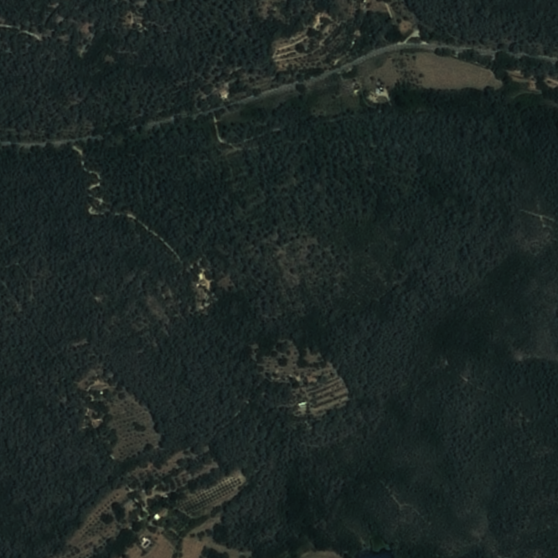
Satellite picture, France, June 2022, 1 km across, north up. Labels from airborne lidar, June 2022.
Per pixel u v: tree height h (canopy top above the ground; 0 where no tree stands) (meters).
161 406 22
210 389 24
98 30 22
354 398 18
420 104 6
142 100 16
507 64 17
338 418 19
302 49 14
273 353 9
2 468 16
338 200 15
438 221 21
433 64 0
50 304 16
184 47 11
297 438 11
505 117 16
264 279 12
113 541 11
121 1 14
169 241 15
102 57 20
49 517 17
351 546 12
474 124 18
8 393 18
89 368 16
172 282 13
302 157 18
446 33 20
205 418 24
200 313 10
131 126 11
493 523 5
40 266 12
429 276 22
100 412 9
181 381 17
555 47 20
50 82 6
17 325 10
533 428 9
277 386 15
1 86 17
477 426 6
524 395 8
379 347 20
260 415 12
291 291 9
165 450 20
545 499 7
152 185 7
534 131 16
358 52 5
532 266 7
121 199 16
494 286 11
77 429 20
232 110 19
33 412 11
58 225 17
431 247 17
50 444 18
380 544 0
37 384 9
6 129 10
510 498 8
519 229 9
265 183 16
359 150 16
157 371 18
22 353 16
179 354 14
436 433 10
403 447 6
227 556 13
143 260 10
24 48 12
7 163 18
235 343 22
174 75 10
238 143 18
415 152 16
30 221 20
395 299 19
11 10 10
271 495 19
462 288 15
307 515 21
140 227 12
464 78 0
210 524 0
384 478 8
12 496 17
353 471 9
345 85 0
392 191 17
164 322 10
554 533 9
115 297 12
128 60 15
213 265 17
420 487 6
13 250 15
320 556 0
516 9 8
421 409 7
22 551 18
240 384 12
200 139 19
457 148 14
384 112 16
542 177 11
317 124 20
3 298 13
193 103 13
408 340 19
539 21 9
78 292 14
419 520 9
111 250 15
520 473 7
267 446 22
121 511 11
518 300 9
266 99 0
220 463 18
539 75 23
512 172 8
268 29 10
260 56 22
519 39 24
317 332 11
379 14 8
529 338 7
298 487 14
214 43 21
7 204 13
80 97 19
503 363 7
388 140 20
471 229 18
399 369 11
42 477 21
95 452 14
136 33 9
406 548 13
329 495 16
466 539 6
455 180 18
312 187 16
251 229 19
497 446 6
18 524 10
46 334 15
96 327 14
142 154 15
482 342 9
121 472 14
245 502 19
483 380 8
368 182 10
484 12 19
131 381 18
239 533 16
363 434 8
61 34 8
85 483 18
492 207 19
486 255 12
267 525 16
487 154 20
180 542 7
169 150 22
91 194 18
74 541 0
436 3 20
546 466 7
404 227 11
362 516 6
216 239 20
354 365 16
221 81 21
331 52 5
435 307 22
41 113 18
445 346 12
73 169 16
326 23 12
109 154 12
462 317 12
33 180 17
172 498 16
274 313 19
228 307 10
